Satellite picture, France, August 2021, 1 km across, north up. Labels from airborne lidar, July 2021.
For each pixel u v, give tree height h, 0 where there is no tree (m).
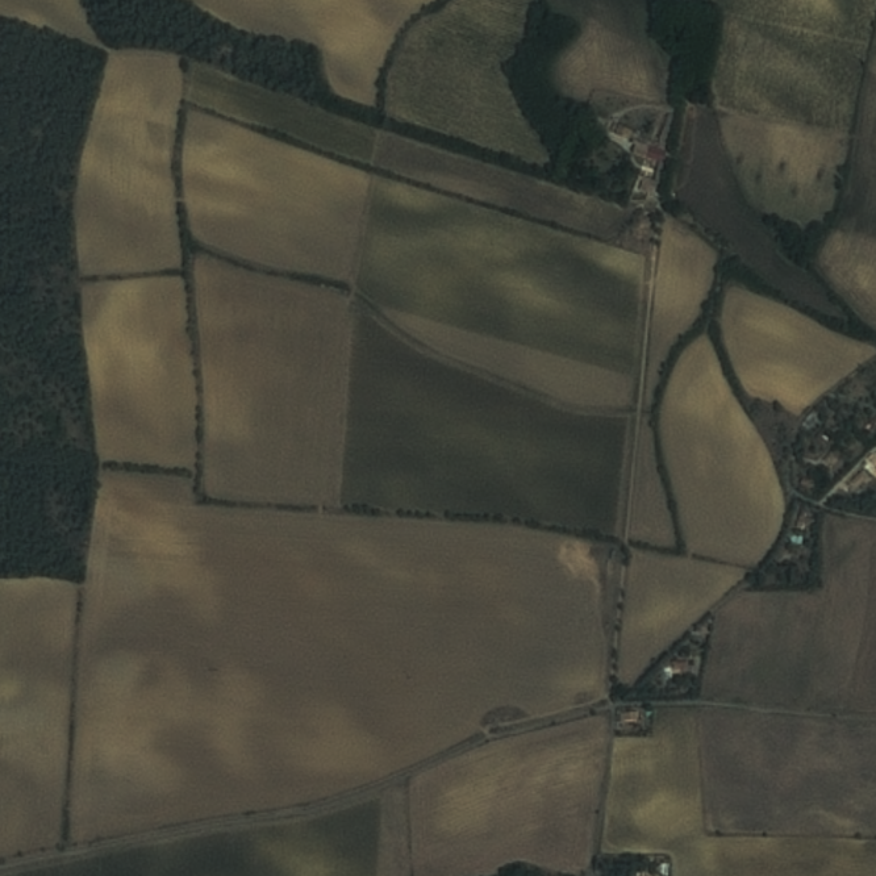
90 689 0
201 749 0
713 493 0
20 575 9
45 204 12
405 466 0
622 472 0
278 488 0
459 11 0
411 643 0
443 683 0
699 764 0
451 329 0
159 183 0
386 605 0
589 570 0
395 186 0
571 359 0
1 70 11
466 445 0
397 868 0
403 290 0
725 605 0
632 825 0
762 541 0
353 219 0
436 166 0
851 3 0
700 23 31
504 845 0
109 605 0
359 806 0
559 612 0
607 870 13
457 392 0
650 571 0
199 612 0
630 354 0
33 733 0
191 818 0
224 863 0
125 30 18
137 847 0
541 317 0
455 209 0
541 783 0
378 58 0
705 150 0
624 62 0
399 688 0
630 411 0
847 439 6
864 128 0
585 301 0
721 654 0
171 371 0
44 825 0
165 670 0
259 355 0
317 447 0
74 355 10
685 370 0
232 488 0
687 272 0
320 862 0
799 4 0
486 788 0
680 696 7
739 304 0
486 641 0
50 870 0
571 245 0
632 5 0
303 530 0
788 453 11
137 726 0
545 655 0
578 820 0
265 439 0
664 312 0
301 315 0
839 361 0
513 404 0
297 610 0
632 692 10
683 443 0
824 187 0
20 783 0
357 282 0
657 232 9
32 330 13
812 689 0
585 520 0
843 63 0
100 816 0
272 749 0
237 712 0
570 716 0
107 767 0
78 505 11
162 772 0
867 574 0
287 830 0
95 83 16
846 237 0
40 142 11
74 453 11
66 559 14
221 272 0
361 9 0
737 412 0
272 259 0
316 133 0
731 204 0
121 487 0
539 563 0
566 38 12
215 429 0
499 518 10
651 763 0
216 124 0
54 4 0
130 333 0
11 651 0
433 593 0
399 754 0
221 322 0
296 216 0
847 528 0
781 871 0
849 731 0
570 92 0
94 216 0
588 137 24
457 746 0
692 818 0
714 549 0
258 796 0
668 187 15
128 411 0
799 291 0
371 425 0
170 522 0
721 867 0
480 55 0
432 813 0
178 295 0
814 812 0
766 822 0
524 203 0
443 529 0
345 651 0
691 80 23
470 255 0
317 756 0
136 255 0
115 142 0
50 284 10
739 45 0
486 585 0
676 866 0
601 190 17
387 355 0
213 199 0
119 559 0
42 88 7
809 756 0
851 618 0
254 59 17
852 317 9
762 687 0
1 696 0
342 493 0
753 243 0
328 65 0
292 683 0
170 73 0
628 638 0
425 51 0
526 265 0
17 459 12
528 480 0
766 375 0
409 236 0
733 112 0
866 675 0
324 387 0
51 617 0
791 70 0
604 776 0
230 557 0
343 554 0
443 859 0
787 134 0
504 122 0
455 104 0
